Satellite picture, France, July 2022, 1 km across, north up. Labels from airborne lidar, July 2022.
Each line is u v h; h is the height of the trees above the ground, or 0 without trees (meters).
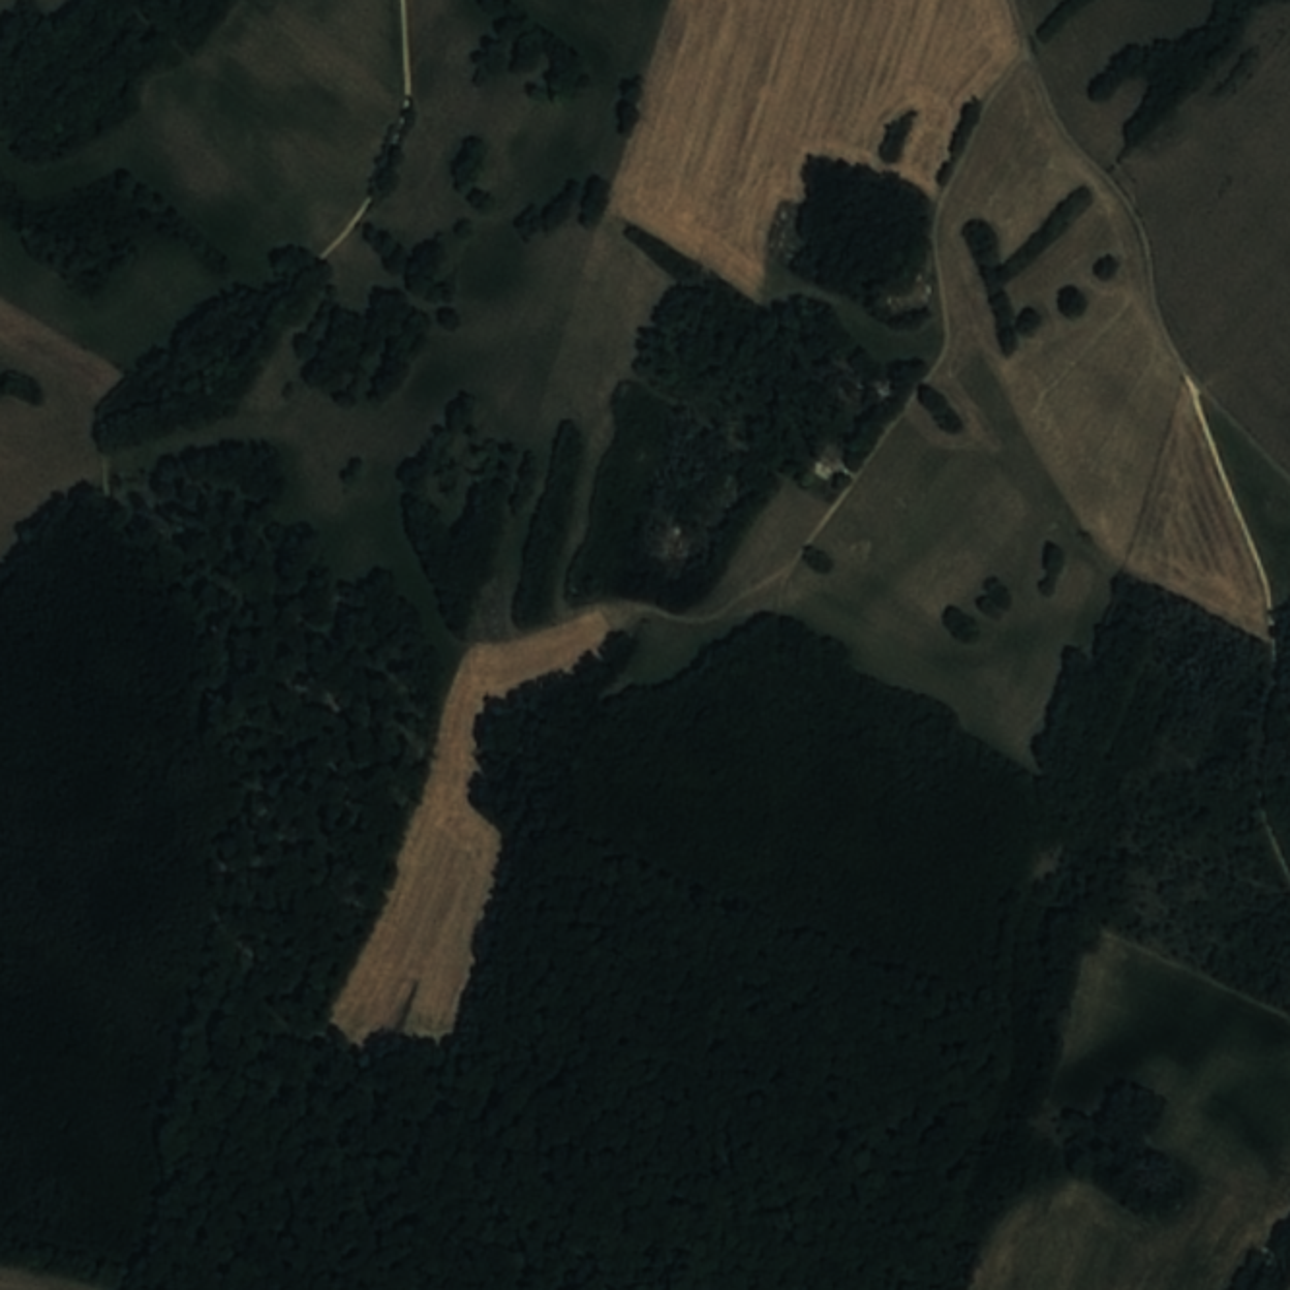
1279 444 0
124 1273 21
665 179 0
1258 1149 0
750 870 13
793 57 0
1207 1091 0
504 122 0
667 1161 27
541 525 9
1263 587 0
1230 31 8
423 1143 25
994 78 0
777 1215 28
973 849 13
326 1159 24
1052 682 0
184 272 0
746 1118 28
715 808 13
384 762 27
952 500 0
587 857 28
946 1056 27
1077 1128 14
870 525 0
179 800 18
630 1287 26
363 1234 27
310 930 18
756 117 0
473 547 21
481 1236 26
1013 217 0
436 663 20
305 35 0
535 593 9
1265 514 0
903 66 0
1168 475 0
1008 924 24
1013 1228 0
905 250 19
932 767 11
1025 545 0
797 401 16
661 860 13
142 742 11
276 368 0
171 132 0
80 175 0
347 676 29
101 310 0
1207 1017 0
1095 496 0
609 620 0
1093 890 17
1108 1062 0
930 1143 26
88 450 0
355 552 0
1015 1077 13
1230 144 0
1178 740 10
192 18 18
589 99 0
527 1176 30
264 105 0
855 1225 30
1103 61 0
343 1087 20
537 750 25
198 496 28
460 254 0
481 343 0
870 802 14
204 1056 23
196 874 17
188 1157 24
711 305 7
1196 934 12
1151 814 11
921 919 14
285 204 0
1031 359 0
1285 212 0
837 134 0
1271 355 0
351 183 0
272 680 32
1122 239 0
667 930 29
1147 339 0
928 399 16
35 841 16
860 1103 28
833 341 19
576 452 10
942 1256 21
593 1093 28
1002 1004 26
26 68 18
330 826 26
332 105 0
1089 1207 0
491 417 0
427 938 0
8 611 23
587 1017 27
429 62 0
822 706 11
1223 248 0
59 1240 10
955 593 0
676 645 0
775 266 0
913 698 9
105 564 23
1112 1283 0
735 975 27
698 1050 26
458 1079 25
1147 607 10
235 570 26
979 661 0
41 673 20
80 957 11
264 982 27
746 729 14
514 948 25
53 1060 10
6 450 0
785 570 0
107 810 13
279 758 8
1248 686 8
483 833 0
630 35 0
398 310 19
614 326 0
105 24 20
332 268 13
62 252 10
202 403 19
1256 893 9
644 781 12
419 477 19
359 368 17
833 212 14
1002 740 0
